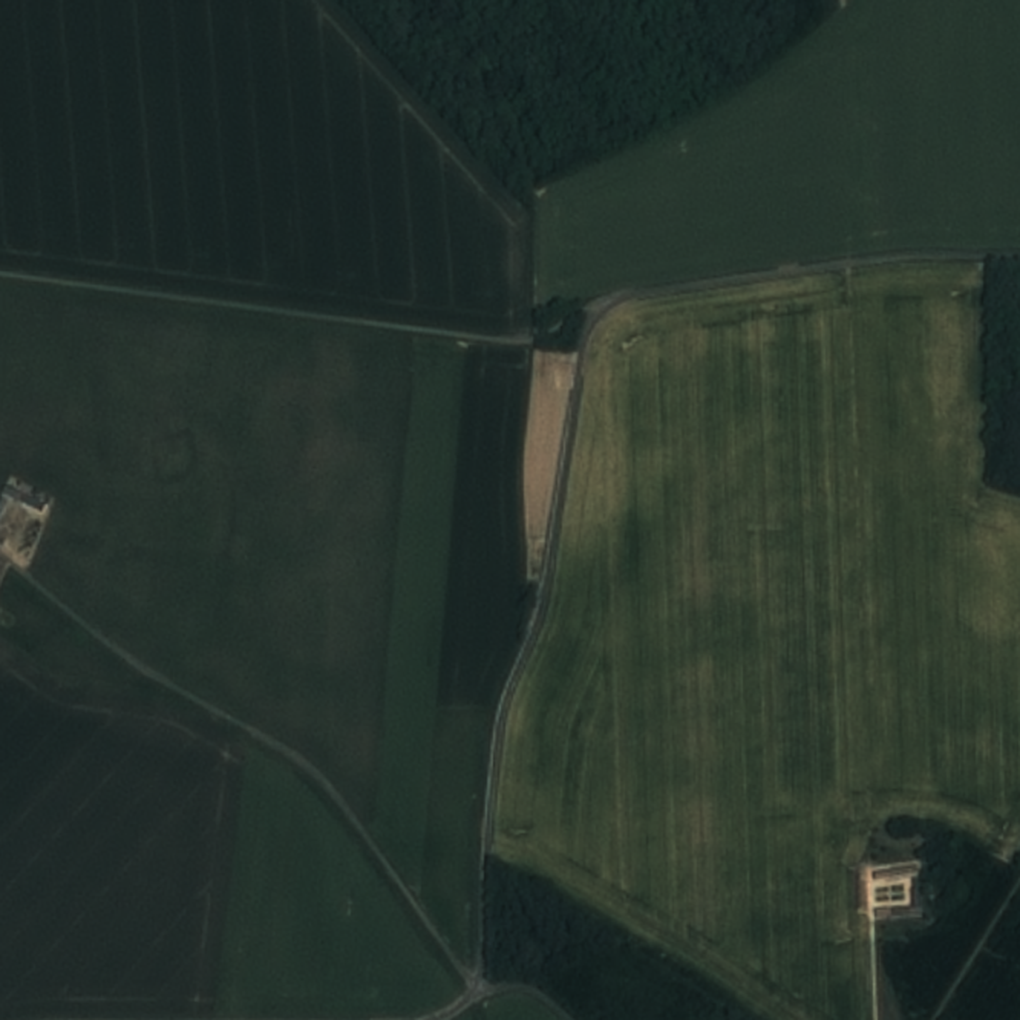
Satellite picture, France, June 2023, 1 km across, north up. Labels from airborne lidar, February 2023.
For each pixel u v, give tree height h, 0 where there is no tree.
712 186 0
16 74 0
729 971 0
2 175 0
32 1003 0
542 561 0
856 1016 0
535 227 0
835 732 0
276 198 0
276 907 0
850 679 0
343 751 0
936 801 0
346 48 0
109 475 0
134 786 0
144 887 0
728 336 0
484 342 0
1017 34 0
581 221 0
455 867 0
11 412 0
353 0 16
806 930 0
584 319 12
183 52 0
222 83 0
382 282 0
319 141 0
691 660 0
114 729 0
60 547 0
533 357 0
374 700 0
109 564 0
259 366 0
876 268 0
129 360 0
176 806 0
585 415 0
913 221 0
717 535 0
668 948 0
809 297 0
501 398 0
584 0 23
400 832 0
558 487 0
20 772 0
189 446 0
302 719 0
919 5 0
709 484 0
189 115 0
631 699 0
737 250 0
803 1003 0
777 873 0
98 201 0
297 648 0
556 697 0
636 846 0
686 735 0
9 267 0
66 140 0
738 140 0
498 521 0
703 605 0
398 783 0
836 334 0
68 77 0
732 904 0
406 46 18
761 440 0
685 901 0
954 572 0
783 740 0
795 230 0
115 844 0
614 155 14
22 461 0
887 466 0
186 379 0
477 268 0
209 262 0
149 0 0
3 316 0
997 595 0
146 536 0
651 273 0
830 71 0
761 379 0
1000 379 17
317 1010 0
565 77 14
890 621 0
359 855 0
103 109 0
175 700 0
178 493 0
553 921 24
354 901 0
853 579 0
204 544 0
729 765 0
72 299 0
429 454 0
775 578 0
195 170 0
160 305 0
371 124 0
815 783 0
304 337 0
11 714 0
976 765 0
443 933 0
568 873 0
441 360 0
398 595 0
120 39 0
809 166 0
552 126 18
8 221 0
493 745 0
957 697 0
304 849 0
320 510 0
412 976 0
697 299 0
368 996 0
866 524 0
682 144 0
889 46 0
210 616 0
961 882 14
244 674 0
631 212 0
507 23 20
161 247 0
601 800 0
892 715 0
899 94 0
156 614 0
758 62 17
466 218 0
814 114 0
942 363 0
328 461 0
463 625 0
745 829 0
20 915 0
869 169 0
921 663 0
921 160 0
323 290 0
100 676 0
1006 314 19
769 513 0
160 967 0
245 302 0
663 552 0
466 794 0
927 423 0
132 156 0
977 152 0
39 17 0
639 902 0
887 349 0
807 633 0
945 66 0
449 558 0
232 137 0
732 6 22
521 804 0
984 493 0
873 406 0
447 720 0
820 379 0
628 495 0
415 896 0
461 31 22
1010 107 0
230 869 0
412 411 0
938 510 0
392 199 0
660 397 0
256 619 0
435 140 0
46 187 0
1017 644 0
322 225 0
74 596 0
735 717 0
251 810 0
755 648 0
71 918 0
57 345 0
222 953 0
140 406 0
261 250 0
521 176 18
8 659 0
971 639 0
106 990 0
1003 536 0
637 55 22
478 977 0
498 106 24
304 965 0
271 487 0
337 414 0
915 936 8
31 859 0
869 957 0
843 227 0
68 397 0
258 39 0
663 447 0
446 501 0
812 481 0
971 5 0
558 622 0
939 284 0
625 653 0
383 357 0
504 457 0
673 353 0
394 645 0
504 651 0
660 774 0
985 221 0
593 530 0
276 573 0
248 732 0
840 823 0
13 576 0
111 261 0
